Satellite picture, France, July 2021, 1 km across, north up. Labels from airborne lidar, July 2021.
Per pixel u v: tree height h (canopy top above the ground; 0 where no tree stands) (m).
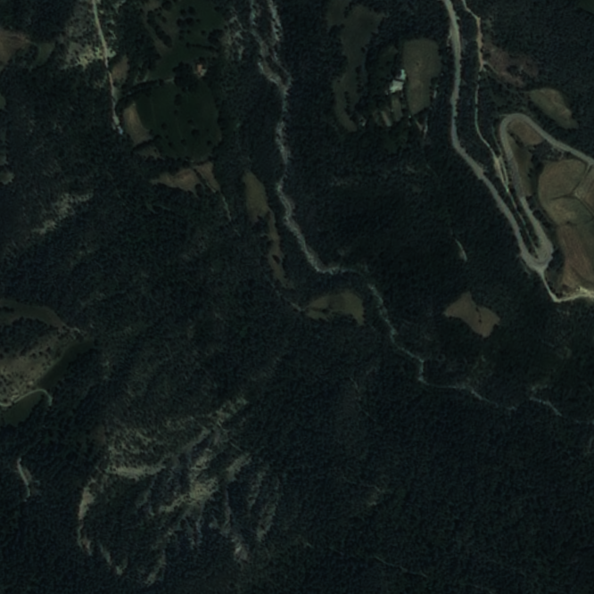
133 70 10
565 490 15
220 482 8
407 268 8
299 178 15
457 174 10
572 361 11
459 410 21
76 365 11
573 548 12
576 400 21
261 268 13
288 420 17
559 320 6
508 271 10
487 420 15
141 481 6
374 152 23
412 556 18
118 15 12
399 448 19
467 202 10
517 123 0
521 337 7
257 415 15
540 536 23
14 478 10
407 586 9
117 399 15
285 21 21
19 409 0
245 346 13
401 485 15
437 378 14
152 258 8
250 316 16
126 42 11
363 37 0
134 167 8
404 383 24
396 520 6
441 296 7
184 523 12
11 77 17
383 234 11
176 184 0
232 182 19
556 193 0
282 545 10
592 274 0
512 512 15
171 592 18
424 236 10
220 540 9
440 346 6
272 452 8
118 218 13
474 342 10
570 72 13
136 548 16
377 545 19
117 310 18
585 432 20
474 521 9
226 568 13
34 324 17
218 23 0
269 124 14
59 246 14
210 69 9
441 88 9
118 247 21
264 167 9
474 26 7
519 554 29
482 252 6
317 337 13
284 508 8
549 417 15
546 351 8
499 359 12
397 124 12
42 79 21
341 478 10
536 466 12
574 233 0
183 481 14
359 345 19
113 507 9
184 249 14
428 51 0
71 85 9
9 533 7
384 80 7
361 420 11
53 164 14
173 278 15
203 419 14
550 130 7
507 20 7
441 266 8
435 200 11
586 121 9
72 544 14
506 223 14
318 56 7
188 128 0
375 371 13
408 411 17
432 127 11
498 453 18
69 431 19
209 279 23
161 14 10
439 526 18
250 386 12
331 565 22
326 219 11
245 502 11
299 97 20
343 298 0
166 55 0
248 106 13
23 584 25
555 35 14
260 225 15
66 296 18
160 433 6
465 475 25
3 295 13
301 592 18
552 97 0
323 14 9
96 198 14
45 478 10
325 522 23
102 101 13
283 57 15
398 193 8
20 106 13
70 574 27
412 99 0
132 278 16
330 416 18
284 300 16
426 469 17
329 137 14
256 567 10
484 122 10
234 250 16
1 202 18
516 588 21
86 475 11
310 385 13
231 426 7
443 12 16
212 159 12
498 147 7
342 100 0
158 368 7
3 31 0
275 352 13
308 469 17
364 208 12
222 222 11
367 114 12
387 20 8
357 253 8
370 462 21
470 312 0
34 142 10
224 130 12
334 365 26
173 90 0
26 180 11
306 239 13
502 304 11
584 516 9
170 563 11
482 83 7
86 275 9
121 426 13
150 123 0
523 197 0
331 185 16
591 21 15
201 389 9
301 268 17
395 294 8
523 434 14
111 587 24
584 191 0
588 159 0
